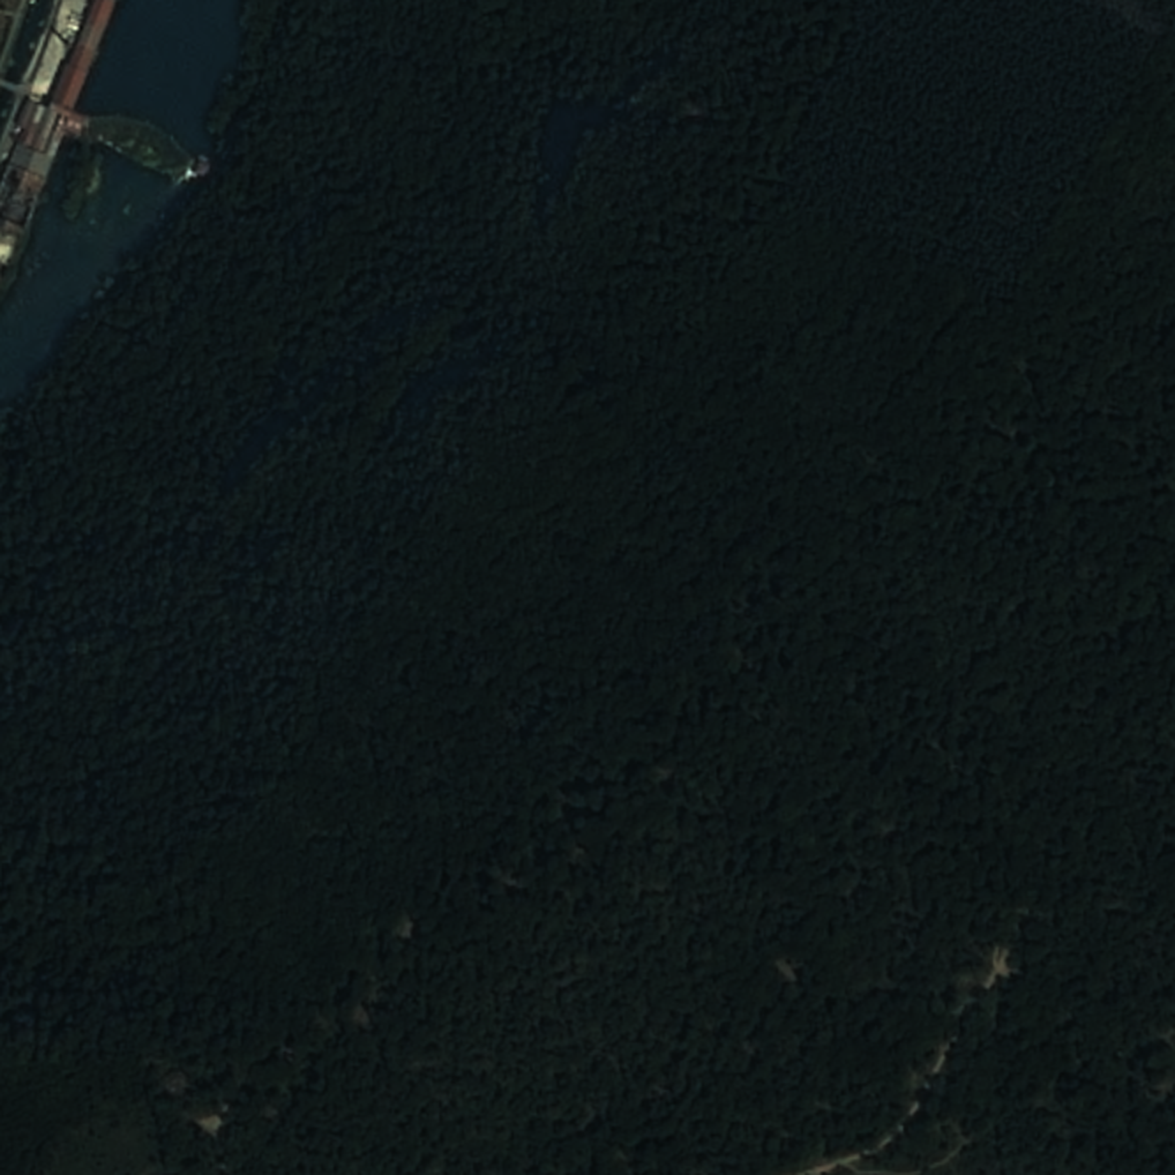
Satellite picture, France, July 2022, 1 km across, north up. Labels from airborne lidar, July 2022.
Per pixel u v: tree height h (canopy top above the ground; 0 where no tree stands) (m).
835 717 23
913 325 27
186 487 29
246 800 21
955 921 26
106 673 26
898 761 26
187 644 26
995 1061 25
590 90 24
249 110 17
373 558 26
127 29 0
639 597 26
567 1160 23
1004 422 29
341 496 21
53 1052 24
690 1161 22
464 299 29
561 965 19
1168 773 24
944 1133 9
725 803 28
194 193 11
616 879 25
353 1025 27
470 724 27
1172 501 22
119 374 27
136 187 0
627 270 25
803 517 22
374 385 35
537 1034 16
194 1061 7
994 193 21
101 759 29
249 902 26
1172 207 19
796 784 23
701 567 19
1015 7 19
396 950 28
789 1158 23
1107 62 25
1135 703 22
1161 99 19
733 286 22
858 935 22
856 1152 24
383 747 27
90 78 0
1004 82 21
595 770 28
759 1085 24
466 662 27
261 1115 21
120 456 26
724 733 24
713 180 22
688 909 19
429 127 25
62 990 16
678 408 27
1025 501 29
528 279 18
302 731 26
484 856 17
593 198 18
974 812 29
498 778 29
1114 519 23
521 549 18
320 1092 25
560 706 25
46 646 21
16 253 8
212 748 32
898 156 20
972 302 17
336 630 22
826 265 17
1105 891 21
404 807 27
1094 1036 24
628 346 31
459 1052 17
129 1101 11
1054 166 23
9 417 7
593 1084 18
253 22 15
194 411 23
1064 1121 13
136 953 17
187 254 28
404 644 30
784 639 25
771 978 28
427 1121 18
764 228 20
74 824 35
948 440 25
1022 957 21
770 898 25
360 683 28
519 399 28
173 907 26
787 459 22
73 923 25
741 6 29
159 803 30
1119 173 19
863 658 27
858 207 15
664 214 25
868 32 25
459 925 24
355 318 29
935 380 23
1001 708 27
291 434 26
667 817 27
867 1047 27
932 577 17
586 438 30
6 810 33
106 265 0
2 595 35
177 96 0
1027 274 23
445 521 24
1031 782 25
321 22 24
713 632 26
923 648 16
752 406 29
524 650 26
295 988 28
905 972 23
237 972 32
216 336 22
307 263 27
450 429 21
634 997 18
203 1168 21
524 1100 17
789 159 16
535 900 24
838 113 18
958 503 24
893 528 22
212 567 28
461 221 24
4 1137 12
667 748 18
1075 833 24
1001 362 27
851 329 22
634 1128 23
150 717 33
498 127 29
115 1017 34
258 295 30
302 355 27
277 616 18
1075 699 25
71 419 23
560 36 28
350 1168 20
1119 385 19
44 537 25
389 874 27
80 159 17
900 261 21
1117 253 20
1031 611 20
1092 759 21
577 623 24
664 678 26
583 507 17
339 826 26
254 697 24
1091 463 27
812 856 26
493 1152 21
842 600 21
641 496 22
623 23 28
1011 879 27
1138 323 22
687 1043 22
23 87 0
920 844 21
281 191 20
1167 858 24
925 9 22
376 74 28
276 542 19
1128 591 24
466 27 30
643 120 27
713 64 23
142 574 21
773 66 24
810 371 17
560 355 31
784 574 22
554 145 18
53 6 0
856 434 23
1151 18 16
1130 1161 30
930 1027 25
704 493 22
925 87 19
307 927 24
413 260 22
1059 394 26
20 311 0
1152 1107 26
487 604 23
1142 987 27
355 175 26
